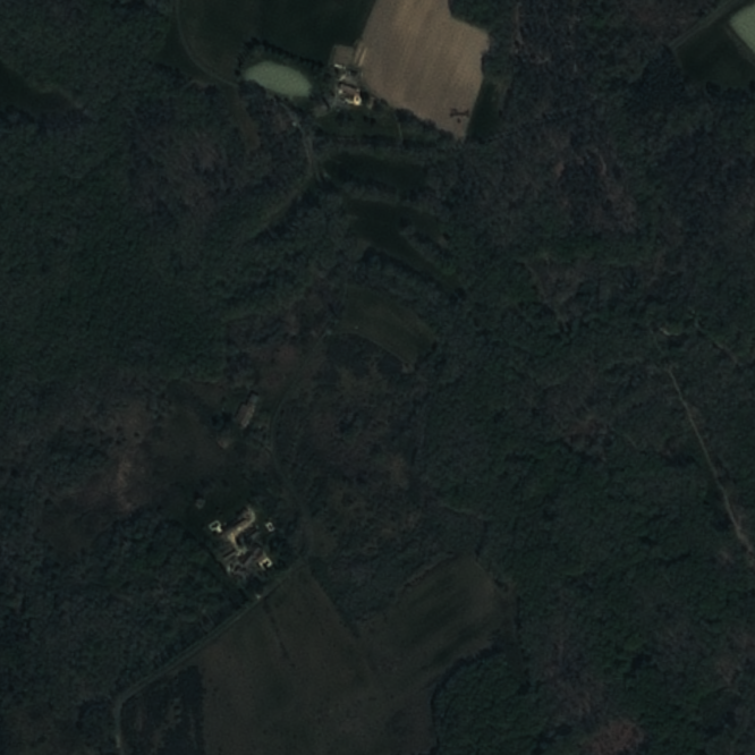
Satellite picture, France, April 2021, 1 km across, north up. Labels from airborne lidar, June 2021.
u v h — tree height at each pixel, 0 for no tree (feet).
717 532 61
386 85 0
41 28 56
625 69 75
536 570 73
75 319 59
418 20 0
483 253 56
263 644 0
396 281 73
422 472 44
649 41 52
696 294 67
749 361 25
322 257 95
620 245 59
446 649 0
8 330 71
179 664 0
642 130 38
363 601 20
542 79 64
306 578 0
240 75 33
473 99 0
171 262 65
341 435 24
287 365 0
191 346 76
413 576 24
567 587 64
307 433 21
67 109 0
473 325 84
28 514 58
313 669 0
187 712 0
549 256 74
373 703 0
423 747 0
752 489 59
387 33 0
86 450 34
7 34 61
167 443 0
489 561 56
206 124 51
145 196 44
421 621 0
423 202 74
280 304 81
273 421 0
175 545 59
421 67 0
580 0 75
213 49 0
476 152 62
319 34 0
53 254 61
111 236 61
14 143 94
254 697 0
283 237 75
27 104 0
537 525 67
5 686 65
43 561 23
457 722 76
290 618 0
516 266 62
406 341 0
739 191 66
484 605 0
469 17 73
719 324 69
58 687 65
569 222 40
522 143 58
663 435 56
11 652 59
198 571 55
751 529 65
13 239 65
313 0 0
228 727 0
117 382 59
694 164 66
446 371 70
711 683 64
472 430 60
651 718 76
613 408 55
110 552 31
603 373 47
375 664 0
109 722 51
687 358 50
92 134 98
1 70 0
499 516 70
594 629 66
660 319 47
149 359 74
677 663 56
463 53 0
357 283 71
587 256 75
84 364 53
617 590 69
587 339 86
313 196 0
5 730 63
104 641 45
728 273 46
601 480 68
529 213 57
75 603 49
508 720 76
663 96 73
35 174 77
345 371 0
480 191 73
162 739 0
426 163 59
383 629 0
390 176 0
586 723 52
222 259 69
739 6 0
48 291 50
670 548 62
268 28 0
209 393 0
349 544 24
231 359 39
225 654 0
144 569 61
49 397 59
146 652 23
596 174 67
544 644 57
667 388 45
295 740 0
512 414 66
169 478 0
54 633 66
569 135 49
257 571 35
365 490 59
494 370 89
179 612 30
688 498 65
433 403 59
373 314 0
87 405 69
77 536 0
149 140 49
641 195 62
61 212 54
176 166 48
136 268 65
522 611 35
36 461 46
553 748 72
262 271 73
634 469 76
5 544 55
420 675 0
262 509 32
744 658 48
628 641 63
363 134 0
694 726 75
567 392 51
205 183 38
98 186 84
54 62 72
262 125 70
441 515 43
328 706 0
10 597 41
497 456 72
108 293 68
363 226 0
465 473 79
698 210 69
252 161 44
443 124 0
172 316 67
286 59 38
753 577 57
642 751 52
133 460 0
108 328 65
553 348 77
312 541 0
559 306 50
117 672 49
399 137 0
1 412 68
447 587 0
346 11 0
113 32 74
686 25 0
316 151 53
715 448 42
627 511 76
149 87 69
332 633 0
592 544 66
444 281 0
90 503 0
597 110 56
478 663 55
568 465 61
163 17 70
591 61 68
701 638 62
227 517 0
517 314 70
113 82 74
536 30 23
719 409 61
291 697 0
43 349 56
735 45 0
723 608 53
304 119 62
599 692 52
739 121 74
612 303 35
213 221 53
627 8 43
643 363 30
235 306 79
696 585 68
